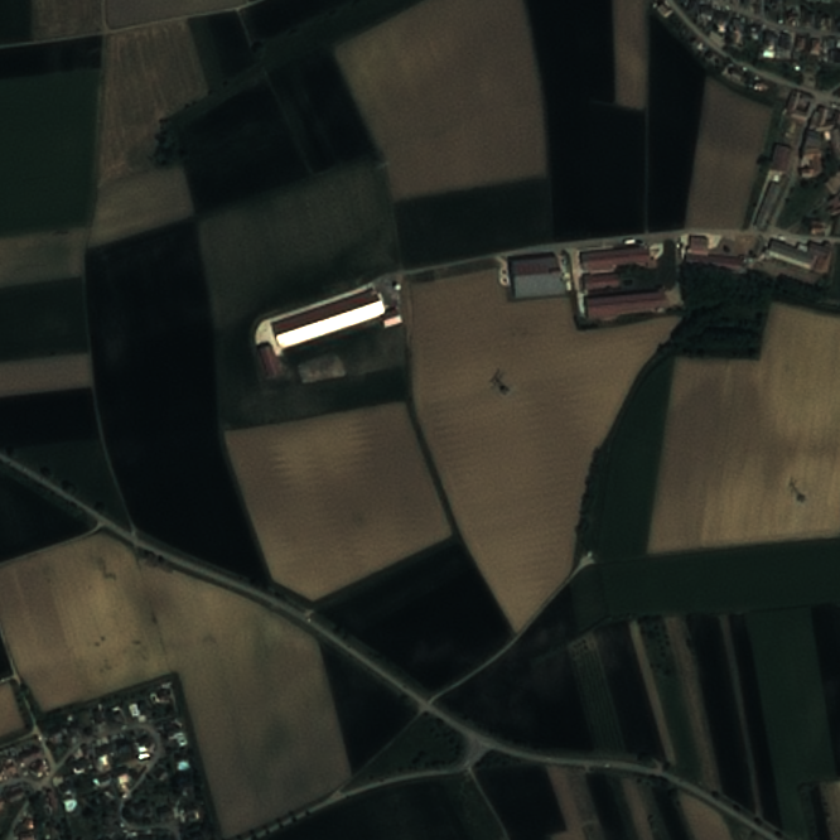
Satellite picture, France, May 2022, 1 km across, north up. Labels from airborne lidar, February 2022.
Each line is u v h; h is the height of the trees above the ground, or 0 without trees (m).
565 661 0
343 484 0
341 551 0
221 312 0
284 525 0
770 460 0
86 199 0
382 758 0
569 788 0
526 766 0
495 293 0
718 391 0
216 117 0
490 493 0
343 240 0
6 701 0
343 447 0
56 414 0
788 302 0
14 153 0
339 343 0
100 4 0
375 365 0
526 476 0
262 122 0
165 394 0
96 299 0
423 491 0
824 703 0
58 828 11
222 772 0
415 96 0
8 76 0
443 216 0
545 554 0
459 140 0
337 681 0
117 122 0
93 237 0
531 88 0
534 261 0
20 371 0
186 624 0
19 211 0
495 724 0
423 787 0
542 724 0
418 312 0
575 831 0
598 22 0
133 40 0
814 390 0
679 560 0
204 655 0
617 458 0
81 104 0
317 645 0
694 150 0
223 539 0
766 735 0
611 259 0
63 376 0
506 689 0
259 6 0
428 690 0
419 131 0
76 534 0
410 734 0
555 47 0
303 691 0
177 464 0
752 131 0
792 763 0
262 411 0
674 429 0
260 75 0
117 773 0
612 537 0
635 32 0
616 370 0
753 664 0
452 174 0
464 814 0
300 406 0
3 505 0
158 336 0
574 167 0
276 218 0
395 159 0
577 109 0
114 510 0
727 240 0
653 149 0
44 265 0
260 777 0
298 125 0
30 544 0
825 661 0
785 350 0
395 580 0
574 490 0
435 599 0
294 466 0
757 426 0
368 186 0
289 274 0
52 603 0
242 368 0
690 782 0
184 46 0
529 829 0
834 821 0
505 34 0
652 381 0
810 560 0
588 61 0
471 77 0
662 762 0
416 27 0
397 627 0
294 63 0
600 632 0
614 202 0
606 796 0
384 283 0
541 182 0
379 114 0
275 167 0
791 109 0
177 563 0
